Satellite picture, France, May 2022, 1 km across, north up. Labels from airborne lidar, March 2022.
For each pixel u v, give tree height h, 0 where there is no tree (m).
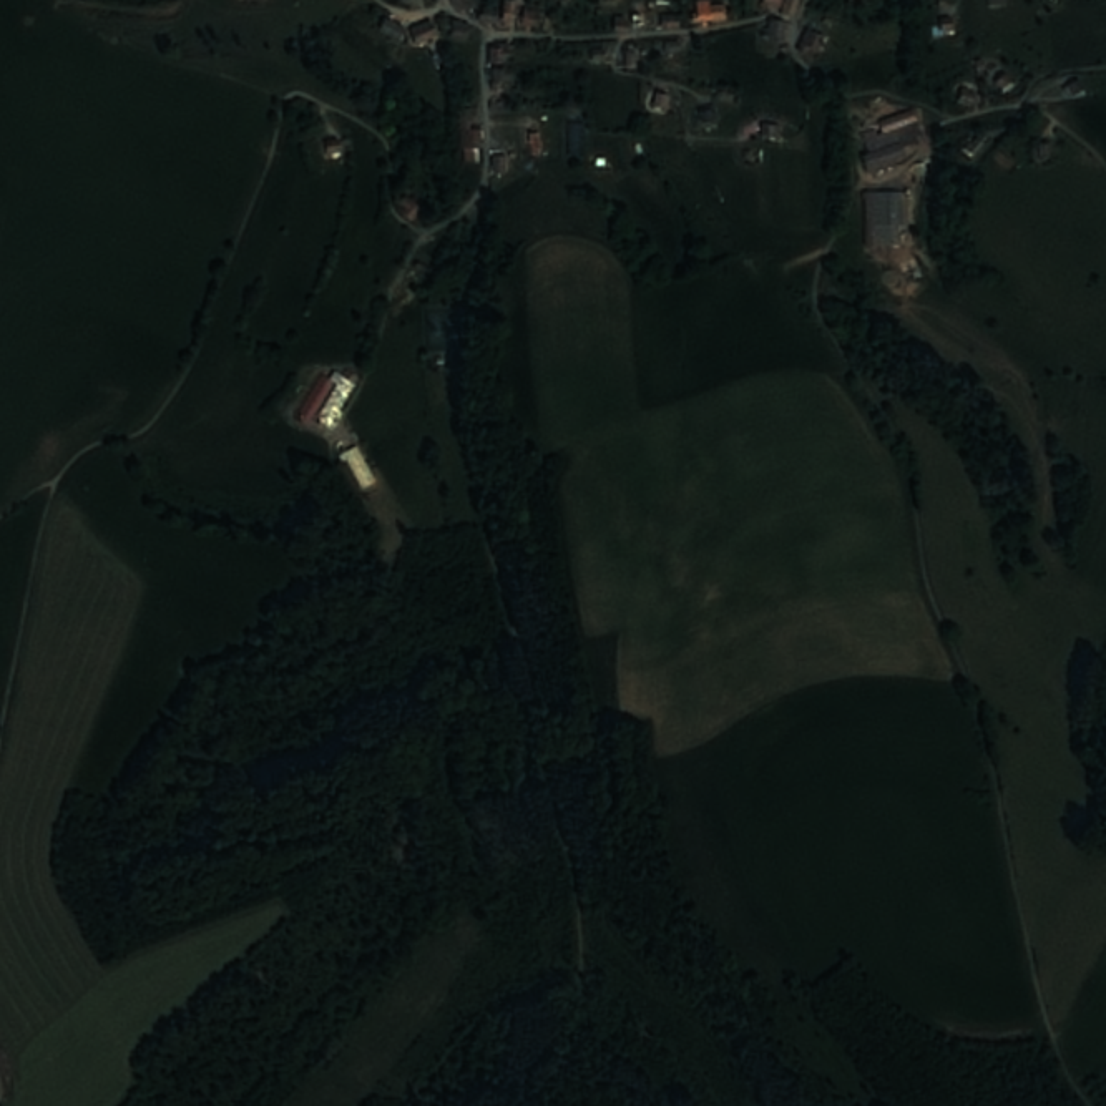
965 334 0
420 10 0
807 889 0
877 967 0
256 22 0
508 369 0
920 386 28
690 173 0
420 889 13
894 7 13
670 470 0
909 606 0
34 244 0
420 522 0
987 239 0
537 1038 27
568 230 0
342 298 0
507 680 27
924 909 0
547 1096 8
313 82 0
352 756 35
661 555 0
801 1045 0
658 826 17
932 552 0
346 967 18
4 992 0
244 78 0
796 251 0
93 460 0
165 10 0
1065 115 0
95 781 0
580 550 0
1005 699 0
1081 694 30
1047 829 0
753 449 0
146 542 0
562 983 28
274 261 0
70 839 15
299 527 30
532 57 0
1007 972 0
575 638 15
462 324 18
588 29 0
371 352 10
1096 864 0
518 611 29
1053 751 0
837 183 12
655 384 0
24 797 0
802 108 0
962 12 0
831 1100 6
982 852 0
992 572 0
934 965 0
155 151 0
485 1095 38
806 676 0
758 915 0
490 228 20
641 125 13
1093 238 0
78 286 0
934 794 0
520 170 0
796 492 0
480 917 21
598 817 25
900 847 0
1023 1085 11
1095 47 0
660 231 0
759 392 0
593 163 0
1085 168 0
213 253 0
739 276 0
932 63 0
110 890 10
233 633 0
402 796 12
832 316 12
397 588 26
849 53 0
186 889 37
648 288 13
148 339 0
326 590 32
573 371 0
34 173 0
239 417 0
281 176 0
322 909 13
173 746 33
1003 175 0
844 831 0
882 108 0
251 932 0
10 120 0
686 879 0
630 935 19
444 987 0
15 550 0
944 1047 10
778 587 0
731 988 20
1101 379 0
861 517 0
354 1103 0
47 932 0
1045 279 0
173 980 0
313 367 0
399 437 0
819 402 0
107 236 0
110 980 0
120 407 0
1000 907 0
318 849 30
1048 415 0
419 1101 31
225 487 0
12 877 0
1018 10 0
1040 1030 0
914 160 0
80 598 0
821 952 0
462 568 7
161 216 0
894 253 0
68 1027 0
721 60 0
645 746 21
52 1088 0
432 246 0
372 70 0
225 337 0
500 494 28
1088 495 17
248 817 39
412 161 15
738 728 0
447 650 17
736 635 0
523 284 0
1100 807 18
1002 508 13
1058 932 0
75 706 0
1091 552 0
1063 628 0
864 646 0
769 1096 23
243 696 31
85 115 0
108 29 0
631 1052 16
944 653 0
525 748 7
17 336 0
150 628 0
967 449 8
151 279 0
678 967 14
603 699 0
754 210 0
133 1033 0
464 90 22
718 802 0
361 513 6
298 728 11
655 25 0
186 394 0
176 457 0
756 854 0
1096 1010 0
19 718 0
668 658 0
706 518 0
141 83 0
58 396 0
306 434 0
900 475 0
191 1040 18
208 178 0
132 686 0
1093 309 0
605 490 0
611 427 0
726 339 0
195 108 0
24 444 0
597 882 16
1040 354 0
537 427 0
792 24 0
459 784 27
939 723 0
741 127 0
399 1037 0
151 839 21
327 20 0
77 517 0
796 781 0
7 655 0
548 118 0
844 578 0
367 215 0
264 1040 5
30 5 0
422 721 32
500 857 34
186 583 0
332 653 31
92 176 0
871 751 0
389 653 14
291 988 6
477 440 24
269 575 0
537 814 36
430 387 0
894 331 24
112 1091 0
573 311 0
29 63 0
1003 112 0
